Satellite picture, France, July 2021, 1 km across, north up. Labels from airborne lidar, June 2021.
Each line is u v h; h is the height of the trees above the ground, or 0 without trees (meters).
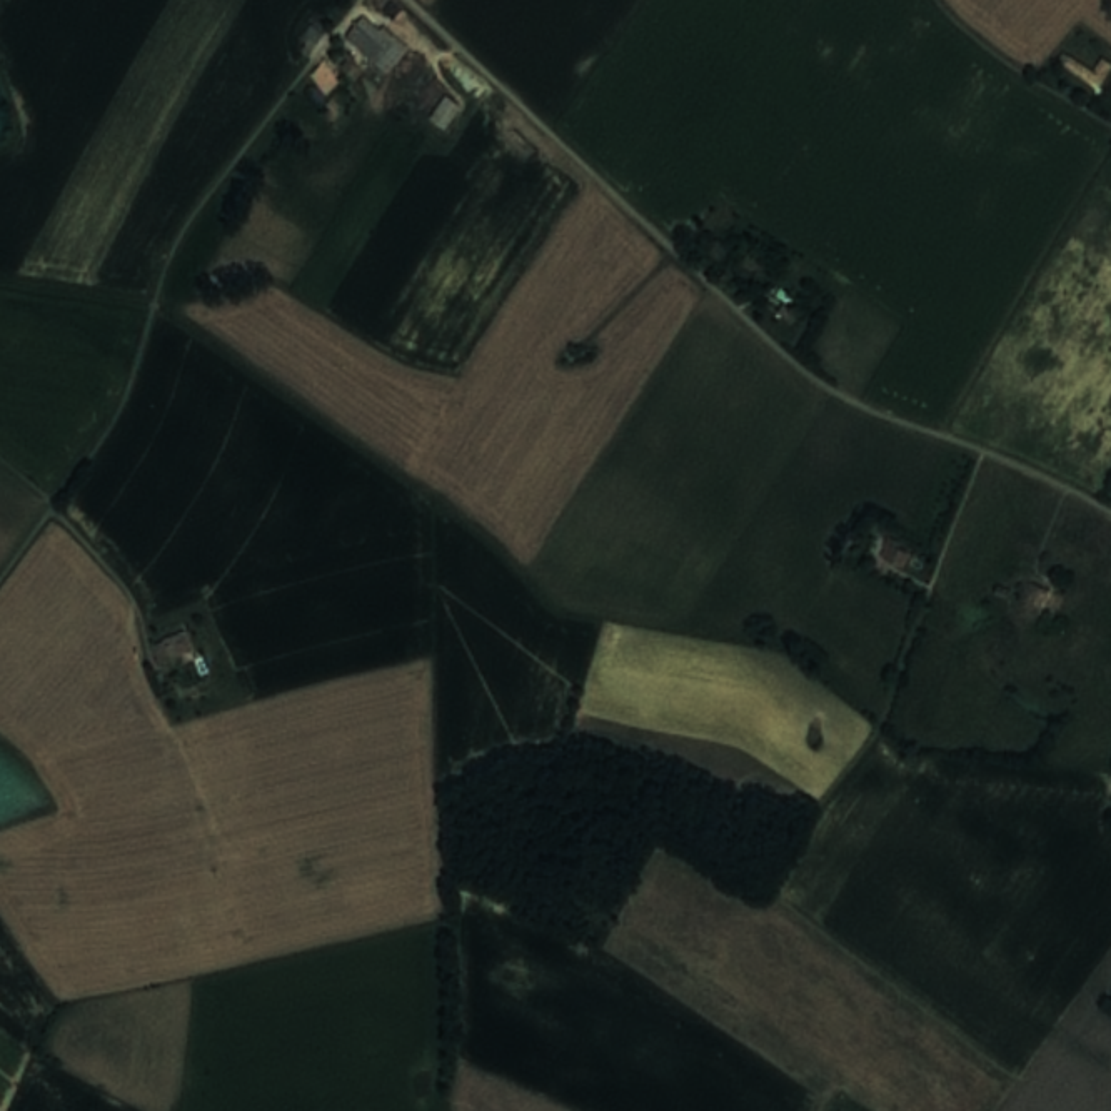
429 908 0
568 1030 0
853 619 0
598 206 0
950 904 0
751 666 0
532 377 0
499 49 0
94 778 0
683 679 0
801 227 0
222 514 0
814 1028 0
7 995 0
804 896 0
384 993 0
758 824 21
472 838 17
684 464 0
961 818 0
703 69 0
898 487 0
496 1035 0
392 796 0
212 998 0
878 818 0
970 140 0
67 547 0
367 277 0
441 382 0
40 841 0
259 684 0
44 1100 0
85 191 0
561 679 0
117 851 0
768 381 0
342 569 0
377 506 0
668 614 0
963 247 0
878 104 0
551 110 0
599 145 0
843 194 0
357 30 0
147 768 0
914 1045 0
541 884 19
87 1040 0
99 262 0
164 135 0
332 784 0
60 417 0
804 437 0
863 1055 0
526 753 19
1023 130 0
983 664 0
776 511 0
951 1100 0
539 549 0
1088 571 0
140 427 0
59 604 0
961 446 0
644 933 0
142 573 0
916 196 0
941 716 0
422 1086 0
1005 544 0
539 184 0
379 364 0
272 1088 0
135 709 0
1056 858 0
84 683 0
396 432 0
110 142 0
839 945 0
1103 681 0
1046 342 0
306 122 0
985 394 0
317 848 0
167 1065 0
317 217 0
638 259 0
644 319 0
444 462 0
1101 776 0
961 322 0
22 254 0
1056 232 0
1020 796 0
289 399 0
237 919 0
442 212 0
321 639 0
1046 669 0
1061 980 0
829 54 0
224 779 0
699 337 0
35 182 0
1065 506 0
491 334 0
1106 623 0
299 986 0
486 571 0
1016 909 0
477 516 0
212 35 0
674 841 20
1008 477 0
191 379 0
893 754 0
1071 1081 0
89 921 0
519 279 0
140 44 0
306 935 0
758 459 0
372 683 0
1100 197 0
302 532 0
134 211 0
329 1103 0
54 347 0
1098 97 8
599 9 0
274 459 0
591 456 0
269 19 0
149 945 0
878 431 0
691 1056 0
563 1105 0
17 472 0
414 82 0
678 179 0
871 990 0
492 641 0
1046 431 0
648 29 0
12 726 0
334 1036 0
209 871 0
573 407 0
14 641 0
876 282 0
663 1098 0
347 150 0
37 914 0
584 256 0
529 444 0
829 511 0
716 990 0
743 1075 0
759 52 0
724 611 0
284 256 0
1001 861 0
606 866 20
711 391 0
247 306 0
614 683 0
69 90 0
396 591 0
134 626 0
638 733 0
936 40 0
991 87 0
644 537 0
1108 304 0
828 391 0
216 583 0
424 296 0
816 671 22
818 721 0
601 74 0
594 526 0
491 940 0
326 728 0
